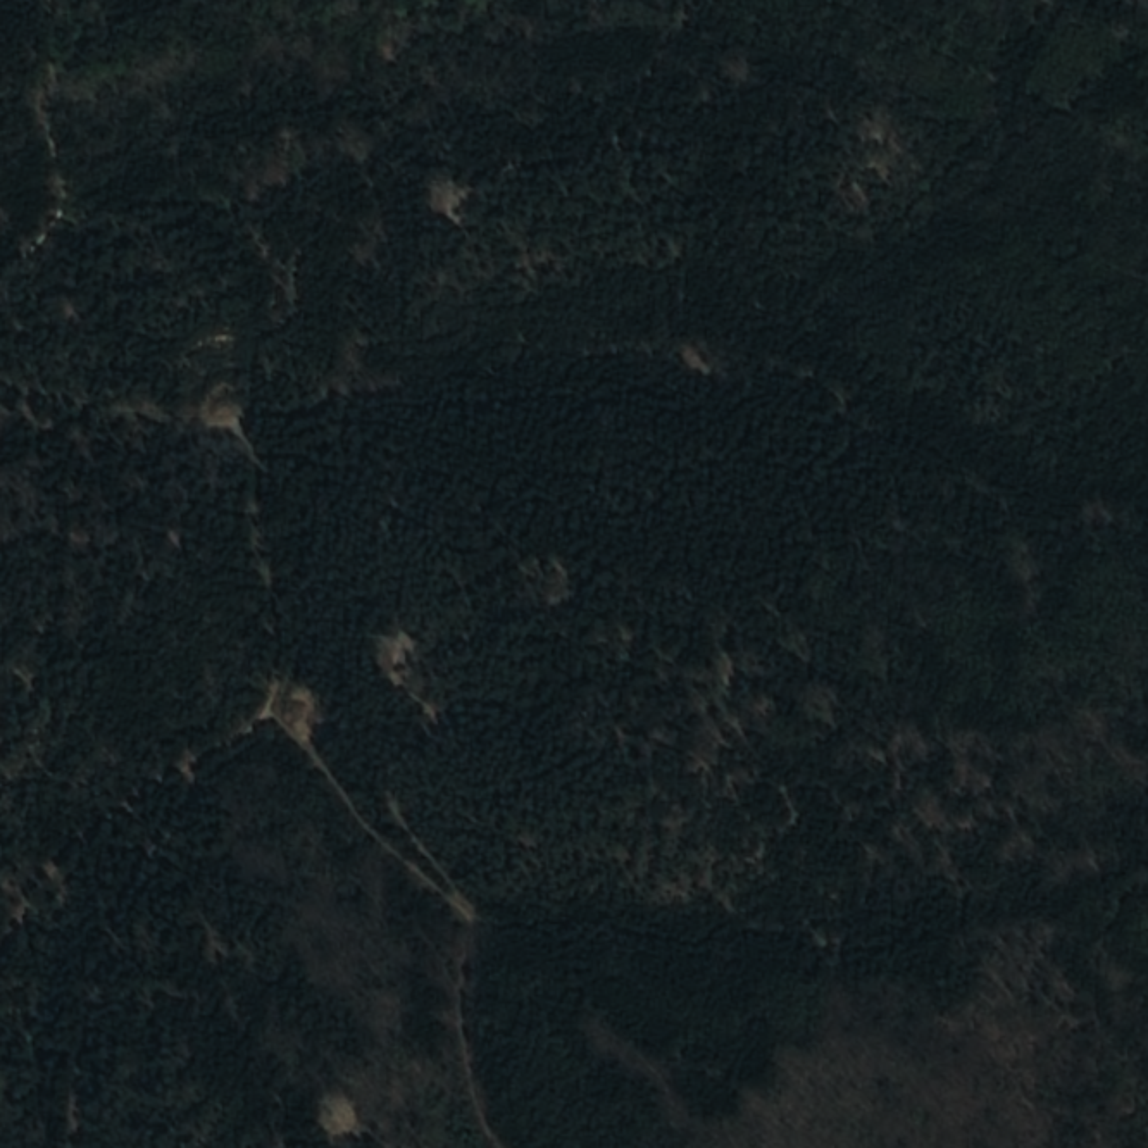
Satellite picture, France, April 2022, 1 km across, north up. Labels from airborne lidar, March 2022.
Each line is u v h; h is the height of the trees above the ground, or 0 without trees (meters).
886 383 16
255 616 25
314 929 17
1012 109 19
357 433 33
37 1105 6
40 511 12
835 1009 16
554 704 24
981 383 17
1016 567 19
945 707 20
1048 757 17
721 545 24
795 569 21
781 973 18
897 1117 12
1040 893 17
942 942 20
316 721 0
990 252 12
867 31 13
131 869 17
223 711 21
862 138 19
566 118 18
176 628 20
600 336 18
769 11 18
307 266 19
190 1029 9
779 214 18
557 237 17
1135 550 19
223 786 14
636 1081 14
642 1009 15
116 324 17
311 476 37
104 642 26
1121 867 17
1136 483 14
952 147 12
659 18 24
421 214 19
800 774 10
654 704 21
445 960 18
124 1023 19
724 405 22
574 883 15
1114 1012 11
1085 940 13
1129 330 9
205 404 12
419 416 15
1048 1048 9
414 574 27
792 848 11
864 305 21
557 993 20
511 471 25
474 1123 17
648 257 29
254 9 15
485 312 14
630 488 29
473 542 24
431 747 22
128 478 16
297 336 20
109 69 19
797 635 16
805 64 15
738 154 20
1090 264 24
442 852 26
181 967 15
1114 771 16
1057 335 11
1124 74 12
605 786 30
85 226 13
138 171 15
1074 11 22
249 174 15
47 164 12
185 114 15
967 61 16
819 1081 12
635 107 21
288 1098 17
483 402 17
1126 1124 10
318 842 18
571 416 25
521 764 27
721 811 8
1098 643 19
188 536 25
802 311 23
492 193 28
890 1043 15
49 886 33
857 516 21
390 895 20
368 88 16
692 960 19
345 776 25
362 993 19
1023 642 21
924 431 22
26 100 25
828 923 13
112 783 31
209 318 28
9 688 22
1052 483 19
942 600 18
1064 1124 11
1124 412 14
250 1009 17
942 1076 14
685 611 30
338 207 22
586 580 26
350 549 27
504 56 16
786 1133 13
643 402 26
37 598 18
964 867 14
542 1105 18
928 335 11
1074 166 13
